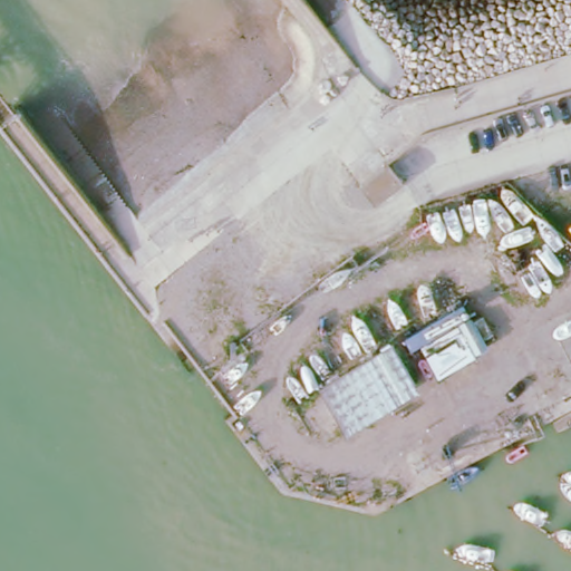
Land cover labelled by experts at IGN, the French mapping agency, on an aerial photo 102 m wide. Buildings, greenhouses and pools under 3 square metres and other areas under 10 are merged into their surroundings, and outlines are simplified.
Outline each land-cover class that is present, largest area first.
<instances>
[{"label":"impervious surface","instance_id":"1","mask_svg":"<svg viewBox=\"0 0 571 571\"><path fill-rule=\"evenodd\" d=\"M281 4L279 31L294 51L292 78L279 91H274L257 112H252L241 123V127L228 136V141L221 147L207 154L199 165L183 174L167 192H163L154 203H149L138 214L129 212L118 194H114L107 201L112 207L100 216L94 212L89 203L74 210L67 196L42 170V165L16 136L11 125L7 120H0V138L20 158V163L45 190L49 201L58 207V212L67 219L76 234L85 241L91 254L100 259V265L118 283L125 297L136 306V310L145 319L152 321L154 330L176 355L178 364L183 368L192 366L194 372H199L205 379V386L214 393L216 401H225L223 410L228 413V426L236 433L241 446L248 448V453L265 471V475L279 493L288 497H301L312 504L379 515L397 504L408 502L413 495L442 482L444 477H451L455 471H462L471 462L480 471H486L493 462L506 459L511 451L529 448L533 442L544 439L542 428L549 422L560 433L571 428V232L567 230L558 234L540 214H535L513 192L506 190L504 178L529 181L533 174L549 170L555 163H571V56L538 65L535 69L517 71L506 78L482 83L475 89L464 83H457L459 91L455 94L417 98L399 105L397 100H388L386 96H381L366 78L346 76L350 60L303 0H277ZM462 312H466L468 321L482 319L493 332L480 341V355L468 366L444 379H437L428 368V361L422 357V352H410L406 348V341ZM384 346L395 348L397 357L401 359L404 368L408 370L417 388V397L406 401L404 406H397L393 413L379 417L366 428L348 435L341 430V426H337L332 413L319 397L314 384L328 386V381L335 375L343 377L355 372L357 368L377 359Z\"/></svg>","mask_w":571,"mask_h":571},{"label":"water","instance_id":"2","mask_svg":"<svg viewBox=\"0 0 571 571\"><path fill-rule=\"evenodd\" d=\"M114 36V20L100 0H0V91L9 103L16 105L22 98L36 96L51 85H60L62 80H67L71 71L83 69L87 62H96L100 67L114 51L109 38ZM225 401H216L214 393L205 386V379L199 372H194L192 366L183 368L178 364L176 355L154 330L152 321L145 319L136 310V306L125 297L118 283L100 265V259L91 254L85 241L76 234L67 219L58 212V207L49 201L45 190L20 163V158L0 138V571H571V428L560 433L549 422L542 428L544 439L533 442L529 448L511 451L506 459L493 462L486 471H480L471 462L462 471H455L451 477H444L442 482L413 495L408 502L397 504L379 515L312 504L301 497H288L279 493L265 475V471L248 453V448L241 446L236 433L228 426V413L223 410Z\"/></svg>","mask_w":571,"mask_h":571},{"label":"bare soil","instance_id":"3","mask_svg":"<svg viewBox=\"0 0 571 571\"><path fill-rule=\"evenodd\" d=\"M114 20V36L109 38L114 51L100 67L96 62H87L83 69L71 71L67 80H62L60 85H51L36 96L22 98L16 105L9 103L0 91V120H7L11 125L16 136L42 165V170L67 196L74 210L89 203L94 212L100 216L112 207L107 201L114 194H118L129 212L138 214L149 203H154L163 192H167L183 174L199 165L207 154L221 147L228 141V136L241 127V123L252 112H257L274 91H279L292 78L294 51L279 31L281 4L277 0H100Z\"/></svg>","mask_w":571,"mask_h":571},{"label":"pervious surface","instance_id":"4","mask_svg":"<svg viewBox=\"0 0 571 571\"><path fill-rule=\"evenodd\" d=\"M350 60L346 76L366 78L381 96H386L388 100H397L399 105L417 98L455 94L459 91L457 83H464L475 89L482 83L506 78L517 71L535 69L538 65L571 56V0H303ZM506 190L513 192L535 214H540L558 234L567 230L571 232V163H555L549 170L533 174L529 181L504 178Z\"/></svg>","mask_w":571,"mask_h":571},{"label":"building","instance_id":"5","mask_svg":"<svg viewBox=\"0 0 571 571\"><path fill-rule=\"evenodd\" d=\"M493 332L482 319L468 321L466 312H462L406 341V348L410 352H422V357L428 361V368L437 379H444L468 366L480 355V341ZM319 397L332 413L337 426H341V430L348 435L366 428L379 417L393 413L397 406H404L406 401L417 397V388L408 370L404 368L401 359L397 357L395 348L384 346L377 359L357 368L355 372L343 377L335 375L328 381V386L314 384Z\"/></svg>","mask_w":571,"mask_h":571}]
</instances>
